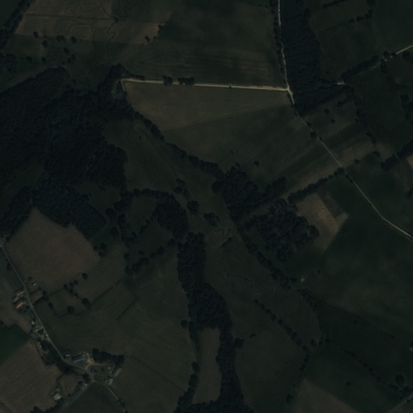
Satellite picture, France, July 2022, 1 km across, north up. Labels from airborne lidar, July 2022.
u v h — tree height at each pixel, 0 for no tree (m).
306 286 0
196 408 8
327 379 0
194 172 0
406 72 0
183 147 0
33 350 0
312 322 0
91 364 0
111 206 0
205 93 0
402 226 0
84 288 0
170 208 23
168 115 0
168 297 0
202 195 0
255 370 0
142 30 0
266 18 0
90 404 0
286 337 0
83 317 0
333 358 0
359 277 0
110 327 0
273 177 0
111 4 0
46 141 17
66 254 0
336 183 0
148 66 0
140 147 0
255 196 16
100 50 0
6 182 19
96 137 21
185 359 0
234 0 0
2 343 0
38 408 9
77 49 0
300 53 11
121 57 0
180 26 0
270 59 0
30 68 0
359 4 0
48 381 0
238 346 13
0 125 14
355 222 0
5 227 18
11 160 19
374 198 0
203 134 0
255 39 0
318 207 0
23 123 19
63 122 19
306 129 0
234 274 0
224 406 16
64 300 0
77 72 0
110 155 26
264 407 0
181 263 12
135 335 0
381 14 0
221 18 0
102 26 0
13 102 16
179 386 0
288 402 14
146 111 0
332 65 0
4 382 0
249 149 0
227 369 18
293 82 12
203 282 15
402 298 0
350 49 0
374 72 0
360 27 0
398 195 0
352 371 0
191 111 0
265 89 0
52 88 17
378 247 0
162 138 13
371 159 0
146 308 0
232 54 0
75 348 0
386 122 0
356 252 0
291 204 15
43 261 0
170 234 0
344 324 0
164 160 0
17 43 0
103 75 0
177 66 0
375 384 0
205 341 0
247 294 0
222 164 0
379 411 0
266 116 0
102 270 0
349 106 0
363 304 0
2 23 0
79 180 21
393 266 0
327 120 0
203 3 0
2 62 19
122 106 14
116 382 0
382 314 0
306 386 0
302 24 10
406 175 0
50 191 18
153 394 0
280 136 0
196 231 0
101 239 0
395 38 0
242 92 0
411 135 0
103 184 23
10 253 0
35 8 0
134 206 0
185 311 0
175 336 0
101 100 24
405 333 0
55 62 0
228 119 0
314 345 16
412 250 0
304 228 26
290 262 0
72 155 25
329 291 0
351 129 0
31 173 0
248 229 25
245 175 15
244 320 0
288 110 0
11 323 0
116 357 8
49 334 0
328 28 0
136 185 0
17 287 0
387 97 0
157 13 0
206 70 0
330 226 0
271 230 23
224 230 0
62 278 0
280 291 0
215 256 0
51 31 0
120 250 0
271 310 7
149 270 0
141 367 0
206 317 18
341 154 0
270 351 0
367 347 0
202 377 0
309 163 0
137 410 0
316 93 13
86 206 23
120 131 0
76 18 0
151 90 0
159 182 0
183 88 0
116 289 0
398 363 0
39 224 0
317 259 0
